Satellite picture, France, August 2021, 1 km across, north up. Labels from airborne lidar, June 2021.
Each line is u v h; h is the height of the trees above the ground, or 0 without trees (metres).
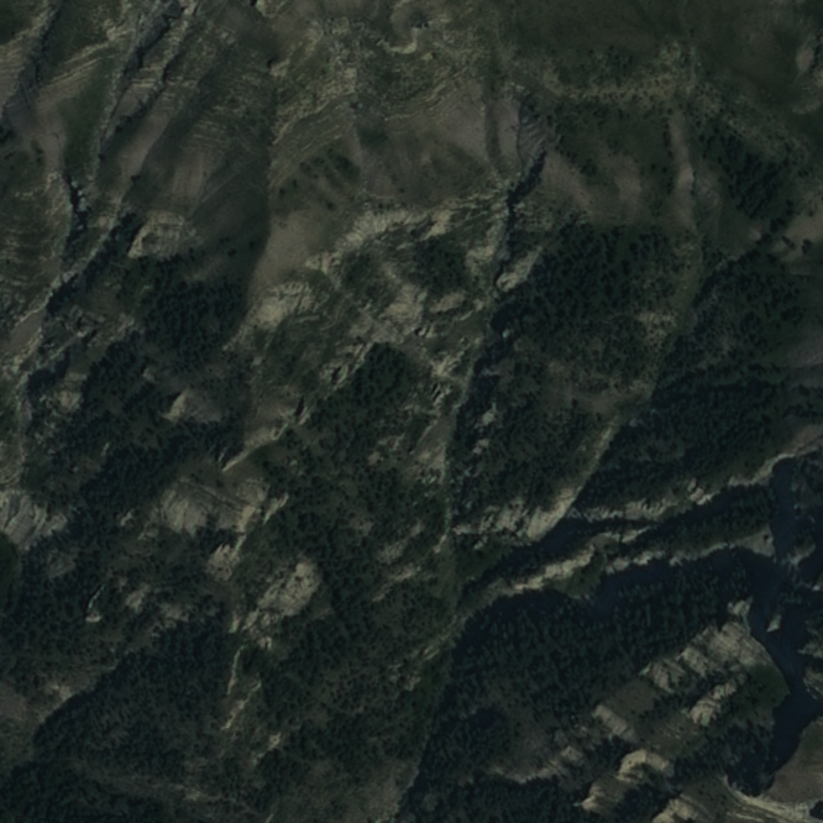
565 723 9
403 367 22
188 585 12
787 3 0
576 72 0
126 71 0
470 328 0
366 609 23
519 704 7
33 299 0
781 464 0
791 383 0
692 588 16
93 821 12
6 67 0
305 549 19
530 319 17
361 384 21
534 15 0
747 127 0
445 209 0
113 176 0
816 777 0
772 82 0
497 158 0
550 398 0
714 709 0
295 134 0
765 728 7
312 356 0
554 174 0
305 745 32
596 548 11
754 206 16
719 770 9
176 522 0
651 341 7
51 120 0
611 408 0
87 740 17
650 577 0
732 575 13
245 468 0
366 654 21
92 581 17
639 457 8
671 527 6
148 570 6
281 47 0
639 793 8
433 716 6
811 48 0
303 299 0
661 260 14
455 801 18
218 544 21
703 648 9
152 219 0
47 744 13
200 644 7
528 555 11
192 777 7
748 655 0
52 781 23
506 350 6
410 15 0
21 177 0
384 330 0
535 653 23
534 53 0
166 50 0
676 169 0
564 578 0
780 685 0
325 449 10
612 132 0
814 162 0
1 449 0
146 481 23
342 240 0
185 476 0
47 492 7
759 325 15
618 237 21
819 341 0
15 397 0
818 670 7
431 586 9
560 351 15
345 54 0
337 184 0
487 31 0
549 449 10
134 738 16
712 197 0
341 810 9
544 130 0
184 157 0
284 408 0
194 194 0
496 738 30
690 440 16
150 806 10
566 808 16
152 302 7
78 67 0
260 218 0
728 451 23
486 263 0
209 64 0
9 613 9
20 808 9
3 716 0
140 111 0
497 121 0
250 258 0
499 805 16
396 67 0
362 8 0
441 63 0
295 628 12
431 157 0
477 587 11
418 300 0
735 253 0
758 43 0
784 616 0
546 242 0
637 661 8
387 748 16
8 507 0
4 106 0
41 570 8
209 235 0
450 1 0
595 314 12
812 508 0
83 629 16
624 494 16
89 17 0
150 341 9
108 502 19
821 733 0
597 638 28
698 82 0
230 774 8
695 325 0
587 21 0
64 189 0
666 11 0
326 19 0
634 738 0
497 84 0
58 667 11
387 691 18
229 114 0
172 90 0
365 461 7
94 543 24
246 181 0
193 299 15
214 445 13
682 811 0
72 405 0
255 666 26
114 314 0
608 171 0
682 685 11
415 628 8
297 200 0
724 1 0
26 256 0
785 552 0
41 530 0
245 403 0
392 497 13
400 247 0
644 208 0
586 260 17
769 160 0
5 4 0
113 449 8
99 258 0
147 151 0
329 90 0
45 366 0
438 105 0
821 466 0
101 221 0
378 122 0
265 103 0
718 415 22
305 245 0
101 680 9
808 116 0
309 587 0
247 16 0
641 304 16
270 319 0
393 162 0
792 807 0
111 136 0
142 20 0
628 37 0
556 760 0
